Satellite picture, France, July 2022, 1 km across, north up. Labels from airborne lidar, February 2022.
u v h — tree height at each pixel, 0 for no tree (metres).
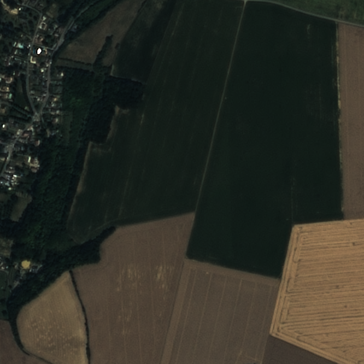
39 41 17
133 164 0
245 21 0
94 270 0
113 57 0
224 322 0
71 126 9
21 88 0
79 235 0
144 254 0
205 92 0
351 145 0
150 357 0
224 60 0
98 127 20
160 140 0
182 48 0
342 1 0
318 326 0
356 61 0
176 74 0
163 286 0
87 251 23
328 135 0
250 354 0
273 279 0
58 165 14
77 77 17
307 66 0
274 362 0
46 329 0
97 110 20
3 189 9
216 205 0
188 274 0
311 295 0
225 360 0
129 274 0
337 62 0
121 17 0
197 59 0
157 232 0
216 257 0
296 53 0
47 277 12
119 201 0
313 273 0
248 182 0
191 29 0
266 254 0
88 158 0
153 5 0
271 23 0
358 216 0
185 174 0
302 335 0
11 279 0
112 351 0
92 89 7
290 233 0
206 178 0
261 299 0
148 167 0
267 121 0
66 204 13
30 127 0
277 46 0
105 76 7
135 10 0
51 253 15
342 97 0
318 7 0
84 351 0
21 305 21
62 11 7
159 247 0
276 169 0
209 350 0
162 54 0
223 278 0
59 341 0
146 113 0
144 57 0
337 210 0
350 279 0
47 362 0
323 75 0
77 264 15
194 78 0
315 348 0
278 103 0
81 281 0
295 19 0
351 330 0
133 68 0
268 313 0
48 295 0
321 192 0
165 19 0
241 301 0
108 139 0
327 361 0
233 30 0
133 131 0
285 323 0
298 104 0
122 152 0
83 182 0
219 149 0
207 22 0
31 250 14
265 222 0
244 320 0
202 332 0
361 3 0
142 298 0
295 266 0
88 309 0
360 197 0
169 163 0
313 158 0
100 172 0
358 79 0
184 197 0
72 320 0
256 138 0
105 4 0
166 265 0
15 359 0
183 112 0
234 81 0
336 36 0
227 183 0
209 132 0
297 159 0
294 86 0
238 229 0
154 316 0
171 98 0
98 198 0
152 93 0
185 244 0
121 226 0
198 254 0
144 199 0
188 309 0
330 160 0
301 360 0
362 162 0
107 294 0
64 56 0
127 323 0
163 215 0
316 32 0
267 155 0
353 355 0
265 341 0
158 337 0
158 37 0
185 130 0
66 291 0
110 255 0
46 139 14
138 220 0
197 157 0
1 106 6
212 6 0
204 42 0
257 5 0
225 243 0
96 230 0
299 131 0
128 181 0
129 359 0
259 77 0
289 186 0
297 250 0
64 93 6
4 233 16
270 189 0
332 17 0
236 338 0
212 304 0
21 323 0
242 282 0
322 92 0
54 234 6
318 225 0
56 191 18
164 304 0
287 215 0
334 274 0
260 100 0
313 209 0
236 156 0
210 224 0
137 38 0
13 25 23
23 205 0
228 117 0
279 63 0
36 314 0
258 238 0
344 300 0
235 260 0
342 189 0
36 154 7
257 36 0
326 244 0
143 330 0
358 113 0
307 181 0
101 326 0
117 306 0
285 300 0
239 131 0
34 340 0
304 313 0
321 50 0
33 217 21
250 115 0
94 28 0
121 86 18
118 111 0
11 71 20
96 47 0
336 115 0
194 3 0
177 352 0
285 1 0
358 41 0
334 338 0
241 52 0
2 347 0
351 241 0
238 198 0
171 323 0
